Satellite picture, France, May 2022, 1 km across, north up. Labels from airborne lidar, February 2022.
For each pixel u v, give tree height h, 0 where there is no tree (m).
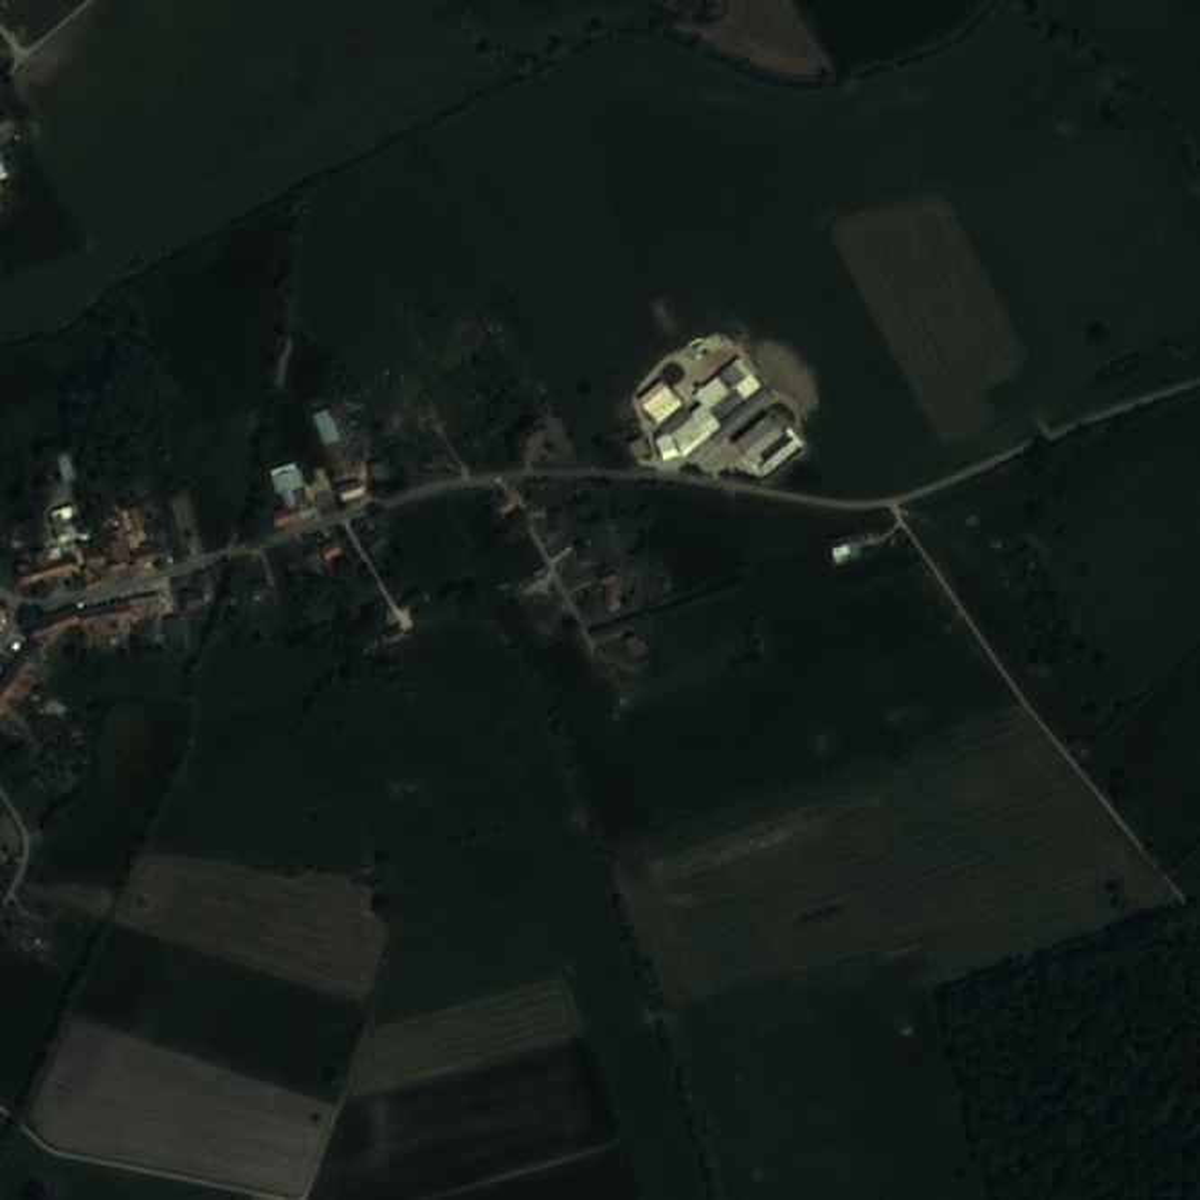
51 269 0
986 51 0
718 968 0
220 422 0
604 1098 0
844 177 0
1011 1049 27
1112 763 0
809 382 0
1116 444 0
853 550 0
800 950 0
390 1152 0
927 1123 0
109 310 0
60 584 0
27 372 0
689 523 0
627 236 0
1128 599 0
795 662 0
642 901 0
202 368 0
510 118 0
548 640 0
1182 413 0
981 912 0
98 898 0
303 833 0
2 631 0
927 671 0
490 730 0
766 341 0
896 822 0
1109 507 0
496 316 0
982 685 0
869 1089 0
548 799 0
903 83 0
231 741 0
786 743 0
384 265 0
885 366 0
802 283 0
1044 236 0
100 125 0
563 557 0
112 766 0
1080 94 0
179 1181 0
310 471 0
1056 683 0
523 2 0
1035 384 0
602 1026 0
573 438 6
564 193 0
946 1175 0
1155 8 0
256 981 0
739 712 0
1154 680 0
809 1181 0
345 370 9
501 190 0
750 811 0
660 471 0
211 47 0
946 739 0
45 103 0
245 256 0
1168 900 0
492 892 0
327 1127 0
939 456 0
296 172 0
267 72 0
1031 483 0
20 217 0
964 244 0
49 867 0
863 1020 0
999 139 0
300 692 0
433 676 0
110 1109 0
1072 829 0
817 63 0
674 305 0
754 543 0
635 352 0
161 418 21
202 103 0
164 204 0
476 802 0
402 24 0
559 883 0
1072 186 0
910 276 0
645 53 0
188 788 0
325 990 0
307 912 0
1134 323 0
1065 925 0
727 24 0
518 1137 0
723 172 0
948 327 0
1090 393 0
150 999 0
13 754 13
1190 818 0
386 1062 0
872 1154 0
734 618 0
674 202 0
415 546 0
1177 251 0
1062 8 0
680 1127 0
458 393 0
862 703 0
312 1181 0
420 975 0
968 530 0
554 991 0
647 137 0
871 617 0
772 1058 0
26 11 0
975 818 0
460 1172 0
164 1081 0
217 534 0
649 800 0
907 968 0
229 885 0
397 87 0
